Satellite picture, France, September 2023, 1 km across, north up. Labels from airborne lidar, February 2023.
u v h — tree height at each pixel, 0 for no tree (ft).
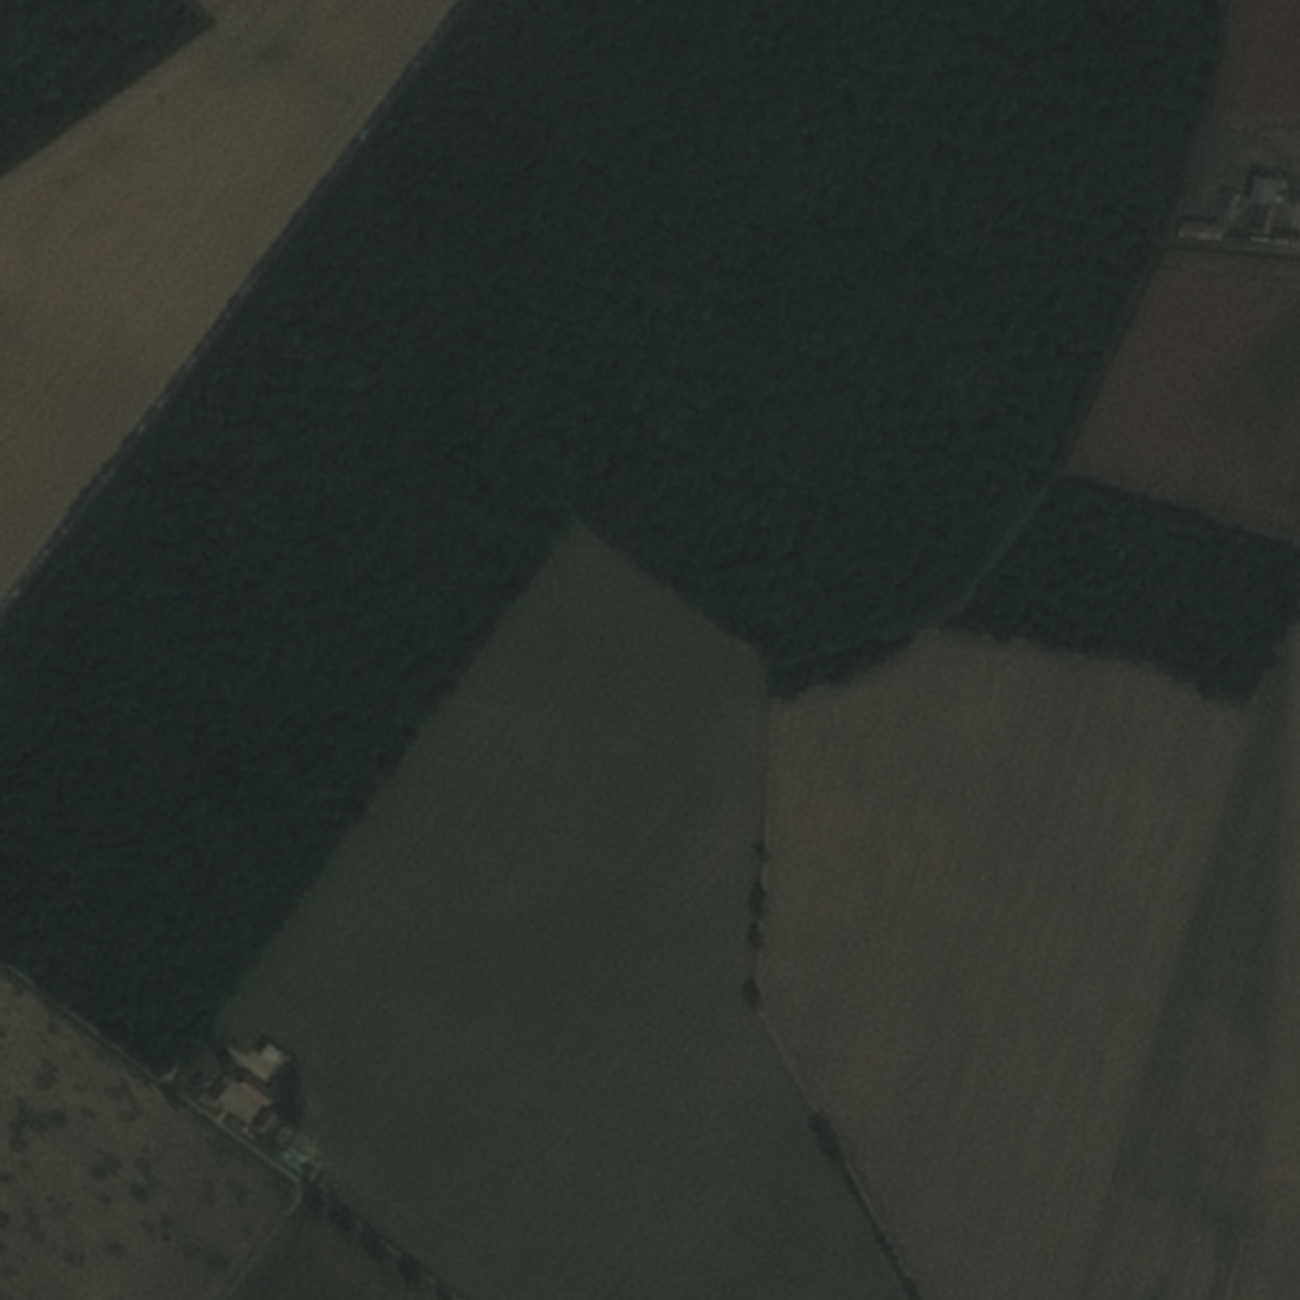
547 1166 0
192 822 60
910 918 0
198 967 71
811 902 0
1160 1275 0
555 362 48
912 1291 39
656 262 65
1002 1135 0
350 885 0
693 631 0
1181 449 0
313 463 77
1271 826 0
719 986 0
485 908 0
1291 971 0
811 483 55
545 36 73
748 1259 0
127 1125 0
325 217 69
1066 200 75
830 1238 0
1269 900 0
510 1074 0
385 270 72
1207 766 0
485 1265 0
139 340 0
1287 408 0
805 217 67
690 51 68
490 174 68
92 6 67
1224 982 0
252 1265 0
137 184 0
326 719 52
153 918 63
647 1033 0
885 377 71
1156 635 74
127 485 68
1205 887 0
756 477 39
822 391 77
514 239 71
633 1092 0
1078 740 0
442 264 64
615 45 81
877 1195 0
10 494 0
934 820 0
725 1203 0
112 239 0
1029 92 76
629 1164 0
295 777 58
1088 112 82
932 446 64
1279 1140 0
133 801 77
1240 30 0
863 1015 0
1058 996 0
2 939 58
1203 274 0
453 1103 0
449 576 72
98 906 79
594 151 64
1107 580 44
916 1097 0
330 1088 0
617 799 0
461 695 0
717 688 0
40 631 72
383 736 61
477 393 77
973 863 0
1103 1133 0
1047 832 0
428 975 0
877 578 77
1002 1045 0
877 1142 0
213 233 0
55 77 56
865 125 61
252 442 74
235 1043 0
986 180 72
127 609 73
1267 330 0
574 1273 0
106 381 0
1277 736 0
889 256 73
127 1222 0
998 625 44
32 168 0
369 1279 0
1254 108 0
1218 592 75
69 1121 0
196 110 0
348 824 41
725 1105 0
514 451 73
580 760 0
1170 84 67
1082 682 0
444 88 69
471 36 67
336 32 0
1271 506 0
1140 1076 0
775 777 0
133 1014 71
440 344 72
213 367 64
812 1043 0
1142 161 72
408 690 56
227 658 71
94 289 0
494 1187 0
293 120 0
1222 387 0
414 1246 0
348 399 63
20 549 0
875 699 0
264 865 73
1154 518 61
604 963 0
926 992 0
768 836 0
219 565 72
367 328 68
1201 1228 0
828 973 0
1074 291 83
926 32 67
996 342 67
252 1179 0
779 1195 0
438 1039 0
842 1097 0
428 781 0
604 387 69
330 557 71
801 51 65
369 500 63
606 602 0
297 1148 0
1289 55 0
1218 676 69
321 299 77
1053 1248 0
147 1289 0
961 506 69
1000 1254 0
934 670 0
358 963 0
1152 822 0
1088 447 0
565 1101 0
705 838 0
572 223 75
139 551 83
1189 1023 0
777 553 77
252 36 0
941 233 73
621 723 0
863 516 72
